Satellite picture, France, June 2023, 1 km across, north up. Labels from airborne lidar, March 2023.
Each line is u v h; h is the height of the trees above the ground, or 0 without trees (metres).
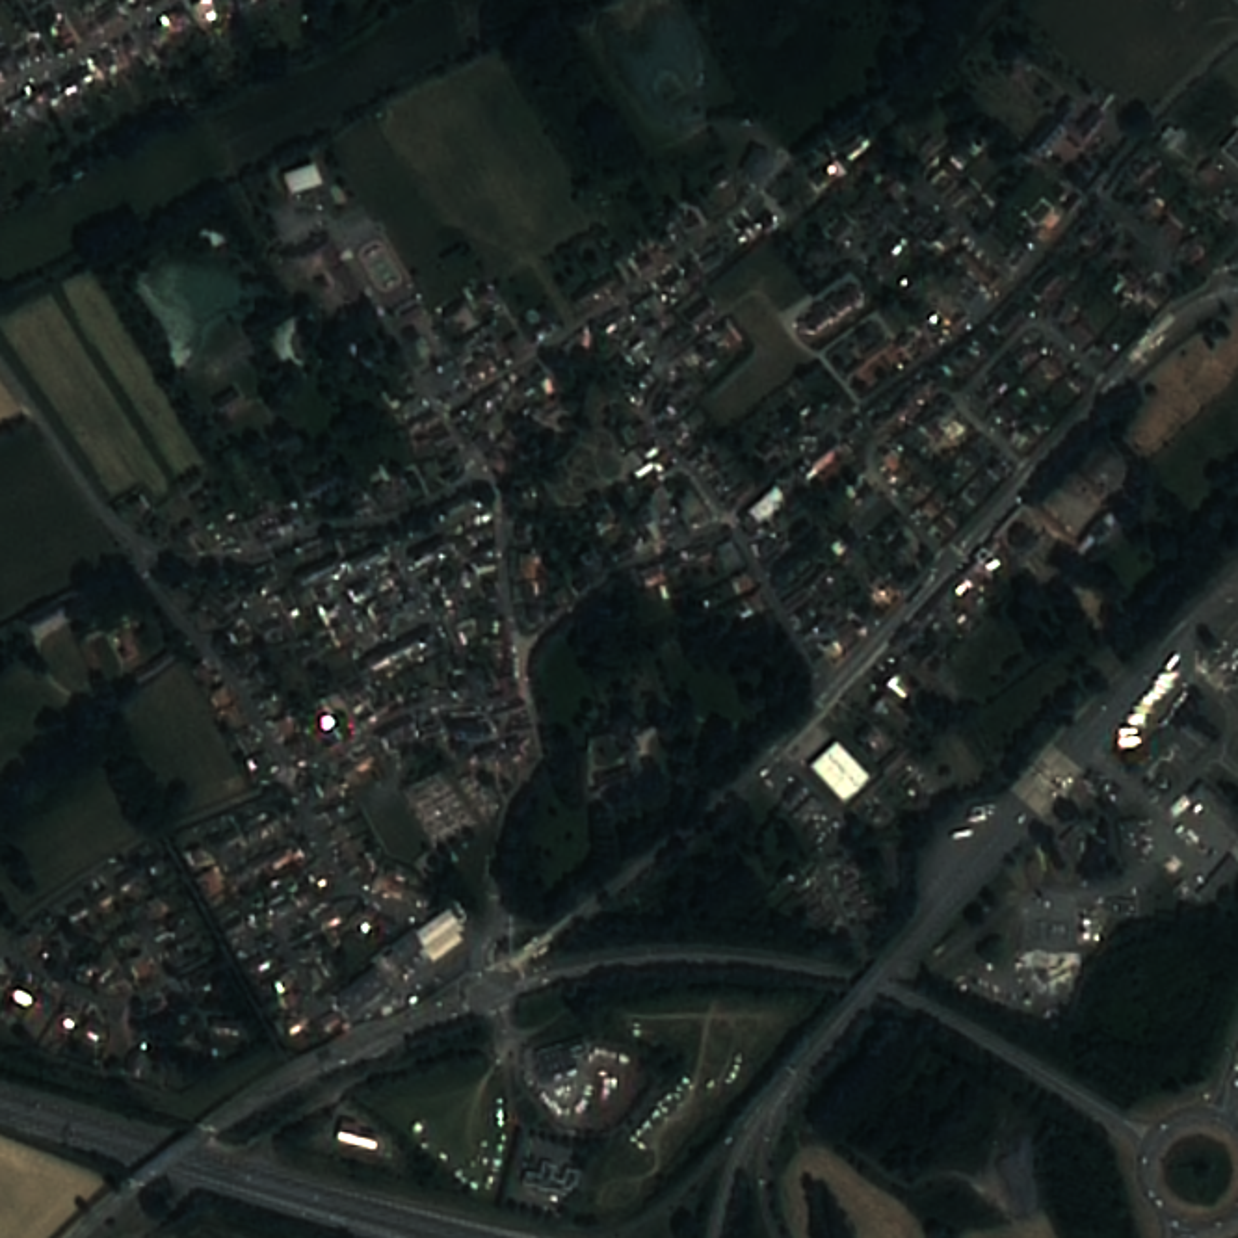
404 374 0
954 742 0
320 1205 0
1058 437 0
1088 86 13
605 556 7
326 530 11
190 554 0
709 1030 0
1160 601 23
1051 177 0
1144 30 0
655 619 0
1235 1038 0
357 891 0
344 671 0
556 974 0
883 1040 29
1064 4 0
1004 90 0
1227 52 0
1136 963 8
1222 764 0
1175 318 0
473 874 0
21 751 0
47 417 0
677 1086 0
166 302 0
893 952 0
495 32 14
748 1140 0
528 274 0
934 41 34
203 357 0
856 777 0
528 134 0
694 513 0
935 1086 12
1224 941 11
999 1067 12
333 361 22
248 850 0
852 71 0
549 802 0
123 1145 0
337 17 16
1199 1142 0
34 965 0
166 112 13
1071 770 0
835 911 0
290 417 0
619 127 29
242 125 0
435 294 0
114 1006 0
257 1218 6
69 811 0
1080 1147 8
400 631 0
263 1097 0
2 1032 0
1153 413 0
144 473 0
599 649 24
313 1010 0
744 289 0
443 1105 0
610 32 0
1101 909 0
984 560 0
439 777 0
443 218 0
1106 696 0
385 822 0
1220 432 0
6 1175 0
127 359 0
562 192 0
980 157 0
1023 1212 0
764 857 19
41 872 0
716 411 0
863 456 0
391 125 0
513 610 0
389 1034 0
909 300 7
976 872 0
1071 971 0
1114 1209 9
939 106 14
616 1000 9
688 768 20
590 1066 0
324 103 0
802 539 9
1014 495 0
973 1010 10
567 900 12
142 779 24
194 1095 0
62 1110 0
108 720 26
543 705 8
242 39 9
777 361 0
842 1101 28
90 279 0
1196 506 0
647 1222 0
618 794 24
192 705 0
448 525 0
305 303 14
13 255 0
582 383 8
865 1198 0
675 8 0
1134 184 0
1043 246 0
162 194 0
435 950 0
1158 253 0
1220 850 0
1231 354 0
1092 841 10
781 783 0
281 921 0
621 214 0
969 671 0
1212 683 0
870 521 0
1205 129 0
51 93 0
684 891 14
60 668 0
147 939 0
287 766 0
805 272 12
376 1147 0
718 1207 0
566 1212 13
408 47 0
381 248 0
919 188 0
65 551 0
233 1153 0
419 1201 0
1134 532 18
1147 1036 6
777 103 0
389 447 0
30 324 0
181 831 0
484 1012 0
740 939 8
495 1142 0
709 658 12
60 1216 0
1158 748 0
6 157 0
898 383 0
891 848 0
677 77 0
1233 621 0
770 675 16
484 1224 0
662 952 0
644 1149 0
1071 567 26
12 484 0
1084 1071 13
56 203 0
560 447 9
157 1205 23
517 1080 0
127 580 34
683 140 0
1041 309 0
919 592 0
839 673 0
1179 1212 0
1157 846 0
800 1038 12
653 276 0
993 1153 0
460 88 0
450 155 0
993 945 8
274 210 0
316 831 0
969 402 0
